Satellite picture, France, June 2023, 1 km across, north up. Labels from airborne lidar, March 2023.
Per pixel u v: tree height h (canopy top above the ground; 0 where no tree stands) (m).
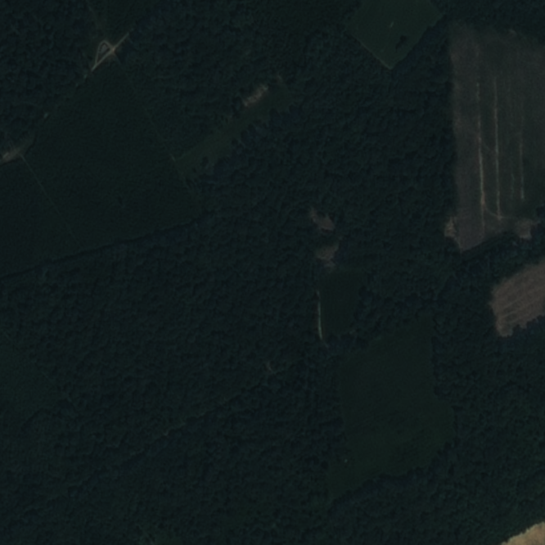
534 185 0
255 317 21
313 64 32
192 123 15
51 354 25
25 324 17
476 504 19
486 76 0
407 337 0
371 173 24
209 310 24
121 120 6
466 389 16
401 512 20
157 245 26
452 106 0
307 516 9
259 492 22
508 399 18
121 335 23
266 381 9
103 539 22
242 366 25
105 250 11
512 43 0
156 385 25
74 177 9
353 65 18
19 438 18
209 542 26
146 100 13
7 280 13
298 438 28
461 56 0
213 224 24
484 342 29
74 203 6
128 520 21
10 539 23
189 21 21
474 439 20
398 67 16
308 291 19
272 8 10
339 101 21
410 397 0
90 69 28
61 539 19
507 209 0
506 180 0
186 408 25
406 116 31
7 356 7
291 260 21
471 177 0
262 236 21
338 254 24
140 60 10
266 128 20
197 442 21
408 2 0
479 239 0
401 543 25
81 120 8
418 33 0
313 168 21
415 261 26
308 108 26
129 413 27
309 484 9
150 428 21
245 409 27
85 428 26
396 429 0
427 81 27
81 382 25
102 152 6
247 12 22
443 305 28
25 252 7
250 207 27
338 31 24
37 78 22
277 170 20
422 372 0
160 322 14
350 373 0
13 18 30
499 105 0
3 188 7
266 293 15
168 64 25
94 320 17
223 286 19
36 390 7
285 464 26
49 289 25
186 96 24
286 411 24
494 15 27
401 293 27
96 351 26
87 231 7
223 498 15
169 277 20
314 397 8
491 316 29
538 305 16
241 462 23
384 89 22
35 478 22
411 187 28
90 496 25
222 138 0
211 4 26
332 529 10
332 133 19
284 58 16
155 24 28
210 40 30
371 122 27
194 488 22
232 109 19
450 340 30
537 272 15
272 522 12
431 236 26
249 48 17
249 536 20
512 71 0
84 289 17
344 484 0
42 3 31
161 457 28
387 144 25
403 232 28
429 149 29
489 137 0
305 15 10
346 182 22
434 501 21
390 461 0
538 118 0
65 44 28
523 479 19
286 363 27
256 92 20
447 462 22
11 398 9
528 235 0
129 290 24
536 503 19
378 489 22
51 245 6
